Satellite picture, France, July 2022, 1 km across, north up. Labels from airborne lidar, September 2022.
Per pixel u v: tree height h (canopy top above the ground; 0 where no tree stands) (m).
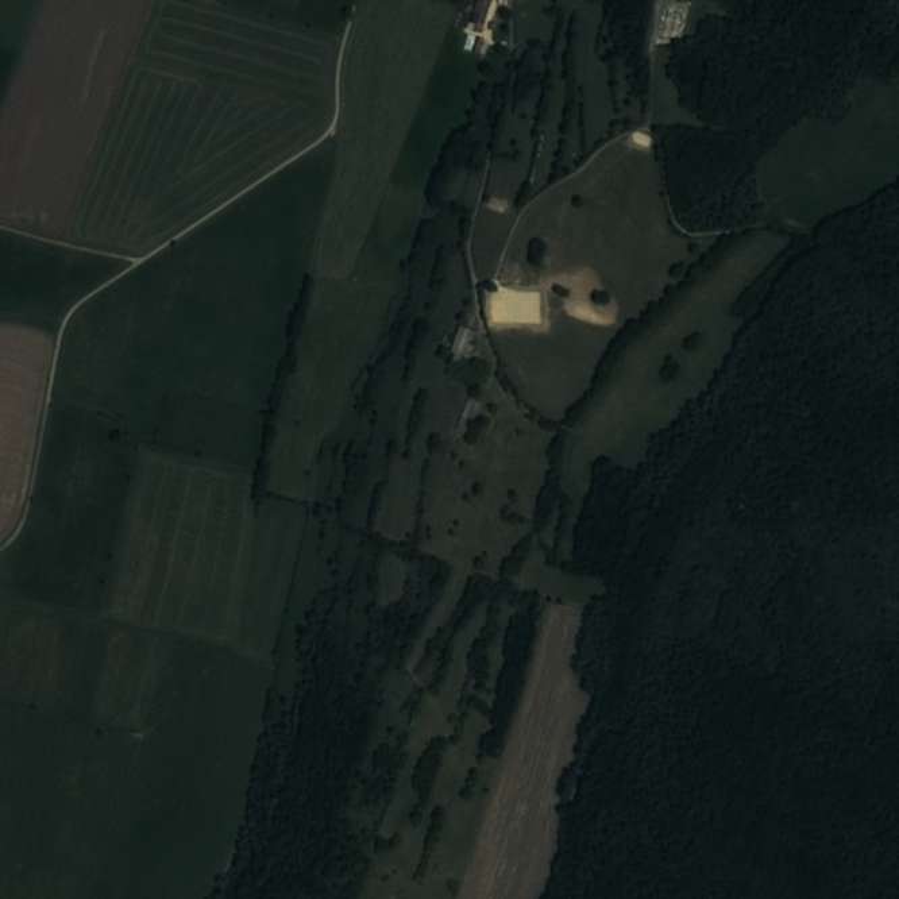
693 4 0
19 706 0
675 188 9
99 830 0
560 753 0
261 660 0
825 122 14
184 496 0
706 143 10
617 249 0
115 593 0
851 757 14
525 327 0
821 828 17
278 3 0
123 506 0
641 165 0
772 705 18
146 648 0
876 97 0
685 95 16
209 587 0
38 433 0
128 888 0
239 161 0
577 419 14
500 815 0
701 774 16
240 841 7
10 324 0
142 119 0
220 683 0
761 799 18
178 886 0
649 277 0
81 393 0
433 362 0
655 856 14
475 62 0
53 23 0
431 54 0
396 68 0
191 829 0
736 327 0
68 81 0
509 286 0
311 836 14
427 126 0
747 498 10
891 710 17
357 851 7
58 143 0
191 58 0
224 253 0
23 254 0
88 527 0
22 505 0
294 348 8
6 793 0
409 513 0
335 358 0
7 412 0
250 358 0
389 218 0
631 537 21
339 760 13
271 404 11
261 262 0
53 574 0
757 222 15
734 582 9
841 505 9
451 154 18
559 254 0
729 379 17
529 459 0
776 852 16
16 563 0
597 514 21
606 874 14
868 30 7
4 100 0
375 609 9
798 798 17
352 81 0
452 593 0
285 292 0
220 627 0
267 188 0
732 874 16
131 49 0
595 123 0
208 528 0
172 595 0
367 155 0
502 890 0
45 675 0
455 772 0
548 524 9
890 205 13
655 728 14
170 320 0
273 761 15
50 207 0
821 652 15
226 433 0
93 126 0
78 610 0
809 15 17
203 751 0
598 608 20
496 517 0
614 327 0
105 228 0
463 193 0
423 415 8
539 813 0
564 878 18
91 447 0
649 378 0
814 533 7
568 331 0
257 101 0
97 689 0
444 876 0
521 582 0
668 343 0
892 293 7
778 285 17
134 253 0
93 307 0
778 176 0
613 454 0
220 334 0
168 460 0
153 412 0
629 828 14
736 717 19
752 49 15
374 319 0
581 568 10
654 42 0
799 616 15
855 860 11
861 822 14
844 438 15
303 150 0
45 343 0
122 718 0
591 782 23
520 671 18
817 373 13
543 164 0
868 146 0
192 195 0
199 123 0
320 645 7
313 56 0
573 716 0
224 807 0
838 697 13
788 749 16
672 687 13
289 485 0
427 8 0
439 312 0
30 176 0
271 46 0
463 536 0
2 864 0
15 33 0
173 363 0
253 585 0
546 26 0
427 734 0
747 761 16
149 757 0
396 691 0
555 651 0
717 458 14
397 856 0
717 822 18
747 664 7
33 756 0
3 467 0
